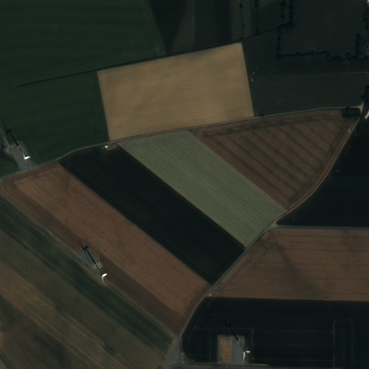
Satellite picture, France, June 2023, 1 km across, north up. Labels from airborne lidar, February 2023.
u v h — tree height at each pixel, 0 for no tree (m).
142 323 0
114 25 0
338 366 0
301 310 0
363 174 0
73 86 0
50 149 0
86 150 0
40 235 0
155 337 0
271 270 0
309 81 0
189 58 0
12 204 0
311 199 0
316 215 0
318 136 0
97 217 0
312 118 0
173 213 0
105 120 0
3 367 0
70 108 0
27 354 0
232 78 0
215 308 0
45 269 0
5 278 0
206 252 0
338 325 0
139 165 0
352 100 0
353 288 0
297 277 0
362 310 0
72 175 0
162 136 0
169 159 0
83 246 0
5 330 0
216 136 0
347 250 0
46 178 0
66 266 0
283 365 0
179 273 0
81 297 0
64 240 0
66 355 0
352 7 0
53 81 0
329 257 0
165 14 0
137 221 0
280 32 13
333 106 0
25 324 0
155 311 0
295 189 0
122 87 0
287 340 0
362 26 0
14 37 0
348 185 0
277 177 0
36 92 0
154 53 0
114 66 0
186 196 0
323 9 0
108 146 0
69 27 0
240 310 0
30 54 0
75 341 0
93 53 0
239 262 0
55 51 0
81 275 0
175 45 0
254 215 0
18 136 0
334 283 0
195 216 0
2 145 0
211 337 0
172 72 0
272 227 0
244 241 0
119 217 0
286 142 0
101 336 0
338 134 0
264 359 0
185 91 0
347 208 0
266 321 0
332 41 0
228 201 0
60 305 0
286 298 0
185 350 0
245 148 0
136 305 0
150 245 0
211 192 0
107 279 0
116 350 0
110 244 0
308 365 0
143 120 0
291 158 0
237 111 0
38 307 0
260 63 0
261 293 0
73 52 0
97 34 0
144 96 0
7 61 0
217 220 0
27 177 0
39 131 0
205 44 0
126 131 0
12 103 0
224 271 0
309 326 0
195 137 0
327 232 0
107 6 0
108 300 0
